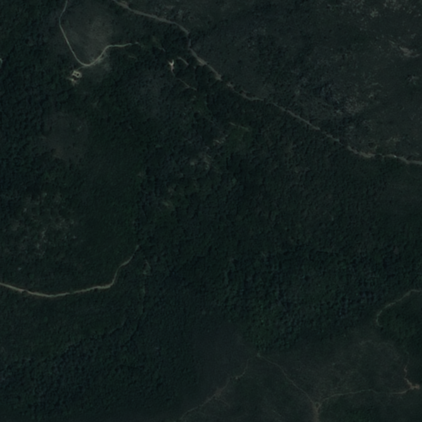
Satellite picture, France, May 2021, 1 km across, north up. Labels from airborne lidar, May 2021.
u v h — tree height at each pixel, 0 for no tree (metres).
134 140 15
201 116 10
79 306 14
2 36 18
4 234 5
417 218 6
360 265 22
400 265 13
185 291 8
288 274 24
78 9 0
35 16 15
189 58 8
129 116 17
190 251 18
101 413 6
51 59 6
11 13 11
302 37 6
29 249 6
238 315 8
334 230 6
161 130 7
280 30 7
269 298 12
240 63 10
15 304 14
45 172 15
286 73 7
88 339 23
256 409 7
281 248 14
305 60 6
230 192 12
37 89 11
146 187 20
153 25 8
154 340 7
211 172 11
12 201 10
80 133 6
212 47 7
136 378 10
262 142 14
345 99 7
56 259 12
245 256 21
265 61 6
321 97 7
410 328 6
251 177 17
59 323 14
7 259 9
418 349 7
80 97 6
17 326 10
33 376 15
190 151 12
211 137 15
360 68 0
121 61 14
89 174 7
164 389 15
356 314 7
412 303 7
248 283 23
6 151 7
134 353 16
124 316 17
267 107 14
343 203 11
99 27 0
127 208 12
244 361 0
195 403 0
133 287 15
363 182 5
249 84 7
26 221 11
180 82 9
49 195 9
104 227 9
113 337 20
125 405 8
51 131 8
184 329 9
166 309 15
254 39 8
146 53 17
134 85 8
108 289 8
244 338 7
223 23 8
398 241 7
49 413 13
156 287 8
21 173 15
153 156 15
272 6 11
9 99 17
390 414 5
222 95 17
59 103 10
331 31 9
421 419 8
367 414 6
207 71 11
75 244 13
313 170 11
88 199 11
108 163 9
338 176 9
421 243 10
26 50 14
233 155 14
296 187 10
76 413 6
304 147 12
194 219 12
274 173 16
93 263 10
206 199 8
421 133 0
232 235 14
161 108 9
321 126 12
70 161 10
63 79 14
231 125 7
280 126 15
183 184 18
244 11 7
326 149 10
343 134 8
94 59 0
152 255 10
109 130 12
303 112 9
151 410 6
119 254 8
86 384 12
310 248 25
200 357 6
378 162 8
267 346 8
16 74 11
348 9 6
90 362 16
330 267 14
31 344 13
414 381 5
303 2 9
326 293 8
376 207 12
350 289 6
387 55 0
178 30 13
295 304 12
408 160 9
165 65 12
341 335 7
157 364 9
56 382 13
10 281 7
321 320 16
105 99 21
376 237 11
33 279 6
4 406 6
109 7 6
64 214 16
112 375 11
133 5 12
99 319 12
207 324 8
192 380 7
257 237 10
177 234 9
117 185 8
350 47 7
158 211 11
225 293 14
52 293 8
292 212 11
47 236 12
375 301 14
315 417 0
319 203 8
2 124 13
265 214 12
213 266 20
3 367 23
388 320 6
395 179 5
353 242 15
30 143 8
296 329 17
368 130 8
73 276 10
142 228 13
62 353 7
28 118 16
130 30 7
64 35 0
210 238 15
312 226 6
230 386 0
